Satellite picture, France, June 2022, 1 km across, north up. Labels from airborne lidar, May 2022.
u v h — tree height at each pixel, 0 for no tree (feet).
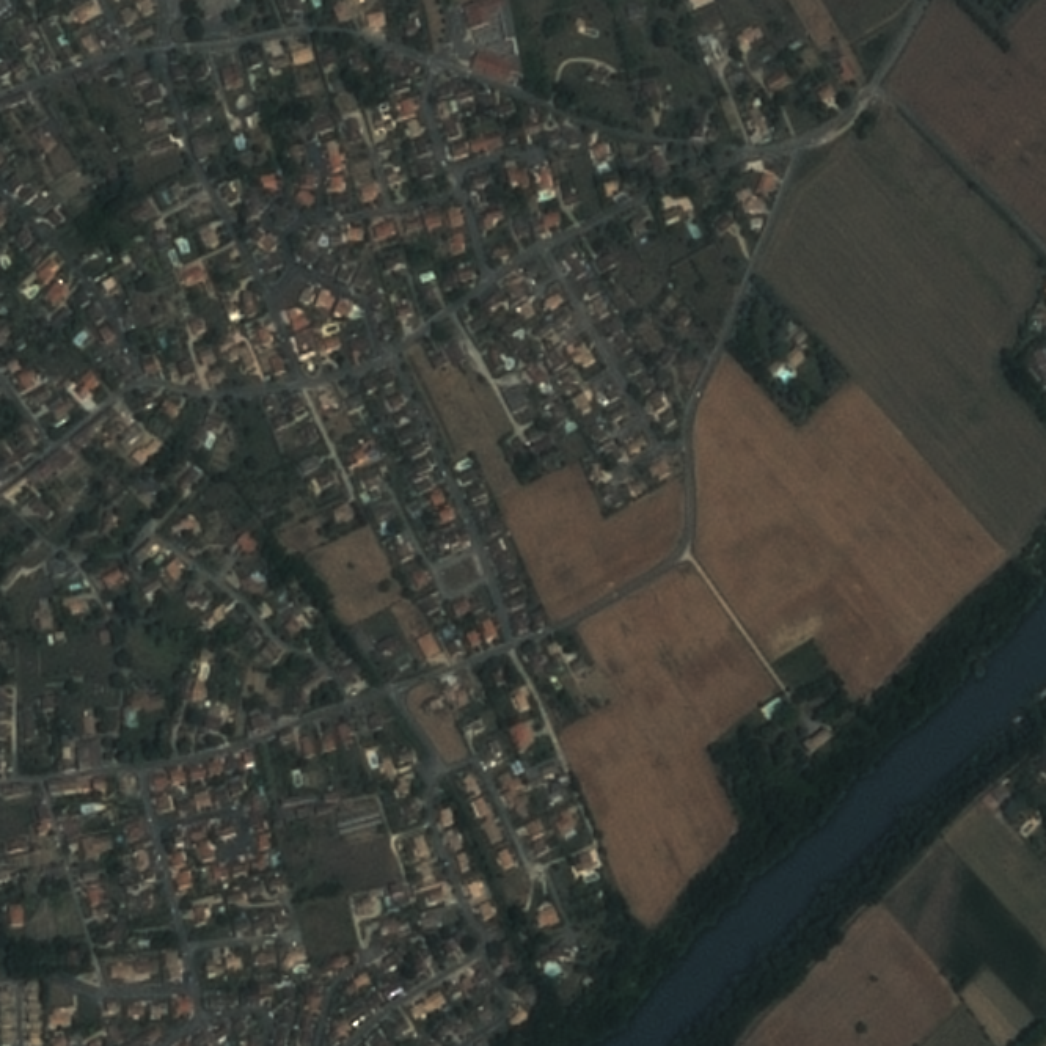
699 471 0
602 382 0
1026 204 0
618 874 0
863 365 0
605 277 23
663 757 0
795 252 0
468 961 0
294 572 43
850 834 0
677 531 0
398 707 0
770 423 0
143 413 22
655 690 0
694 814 0
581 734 0
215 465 0
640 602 0
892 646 0
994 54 0
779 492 0
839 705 46
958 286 0
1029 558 64
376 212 0
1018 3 49
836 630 0
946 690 70
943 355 0
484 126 0
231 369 0
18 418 31
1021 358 25
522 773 0
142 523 36
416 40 36
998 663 0
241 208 20
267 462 0
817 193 0
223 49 0
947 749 0
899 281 0
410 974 46
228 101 0
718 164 43
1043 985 0
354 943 0
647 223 29
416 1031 0
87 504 0
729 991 49
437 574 0
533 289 0
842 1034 0
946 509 0
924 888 0
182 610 0
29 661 0
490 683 28
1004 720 0
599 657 0
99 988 0
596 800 0
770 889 0
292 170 51
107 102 0
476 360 0
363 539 0
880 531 0
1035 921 0
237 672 0
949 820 38
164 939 29
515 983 49
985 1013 0
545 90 23
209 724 0
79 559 0
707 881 37
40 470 0
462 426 0
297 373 0
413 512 0
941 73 0
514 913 55
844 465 0
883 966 0
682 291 0
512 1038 38
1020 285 0
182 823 0
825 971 0
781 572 0
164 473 34
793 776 24
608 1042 0
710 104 30
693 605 0
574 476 0
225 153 23
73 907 0
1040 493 0
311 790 21
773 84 0
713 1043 56
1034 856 0
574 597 0
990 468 0
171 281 0
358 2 0
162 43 0
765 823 31
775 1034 0
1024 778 24
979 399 0
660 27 27
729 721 0
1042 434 0
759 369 34
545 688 23
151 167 0
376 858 0
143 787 0
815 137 0
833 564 0
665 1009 0
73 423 22
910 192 0
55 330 46
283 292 0
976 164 0
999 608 28
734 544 0
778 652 0
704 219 18
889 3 0
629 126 26
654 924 0
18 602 0
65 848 22
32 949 29
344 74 46
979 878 0
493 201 20
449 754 0
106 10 0
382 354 0
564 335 0
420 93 19
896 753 0
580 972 41
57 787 0
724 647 0
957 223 0
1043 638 0
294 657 34
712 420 0
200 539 0
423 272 0
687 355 39
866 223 0
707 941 0
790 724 64
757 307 37
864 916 0
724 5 0
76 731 29
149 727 0
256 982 26
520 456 38
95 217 19
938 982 0
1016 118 0
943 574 0
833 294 0
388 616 0
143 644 0
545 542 0
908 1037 0
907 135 0
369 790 26
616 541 0
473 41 0
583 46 0
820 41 0
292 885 23
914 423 0
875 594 0
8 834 0
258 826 0
